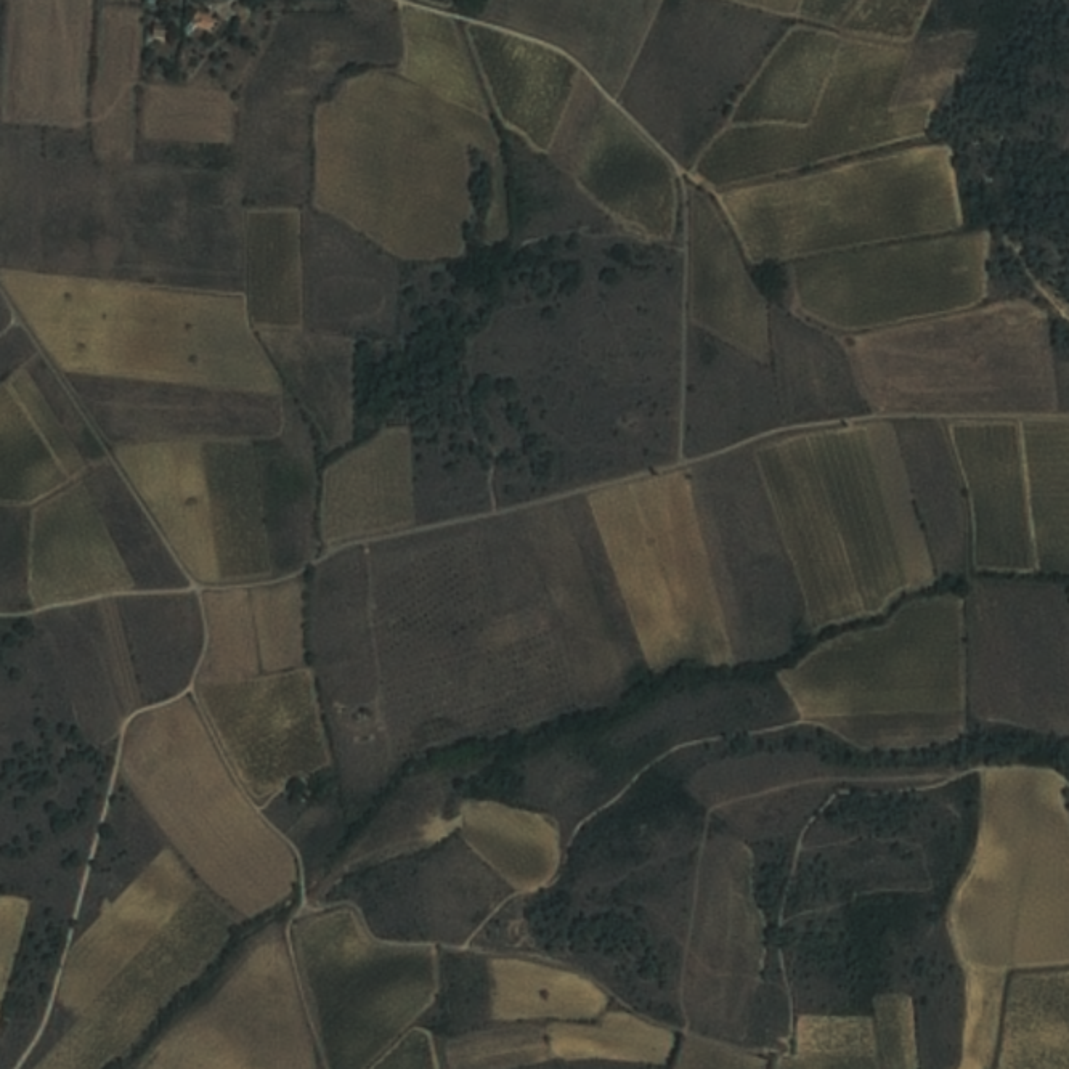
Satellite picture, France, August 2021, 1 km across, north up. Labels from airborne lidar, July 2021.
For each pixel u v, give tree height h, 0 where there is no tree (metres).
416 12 0
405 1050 0
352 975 0
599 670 0
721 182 0
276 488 0
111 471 0
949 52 0
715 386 0
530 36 0
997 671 0
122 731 0
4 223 0
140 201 0
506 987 0
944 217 0
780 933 13
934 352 0
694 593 0
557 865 0
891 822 10
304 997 0
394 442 0
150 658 0
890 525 0
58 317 0
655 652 0
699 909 0
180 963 0
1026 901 0
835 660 0
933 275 0
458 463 6
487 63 0
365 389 9
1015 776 0
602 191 0
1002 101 12
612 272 11
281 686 0
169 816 0
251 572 0
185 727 0
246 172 0
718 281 0
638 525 0
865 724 0
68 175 0
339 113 0
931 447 0
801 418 0
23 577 0
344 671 0
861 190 0
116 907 0
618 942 14
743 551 0
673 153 0
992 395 0
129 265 0
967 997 0
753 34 0
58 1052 0
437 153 0
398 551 0
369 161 0
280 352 0
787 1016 0
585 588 0
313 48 0
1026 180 17
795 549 0
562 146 0
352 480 0
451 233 0
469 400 11
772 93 0
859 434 0
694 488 0
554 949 12
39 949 10
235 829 0
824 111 0
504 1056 0
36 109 0
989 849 0
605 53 0
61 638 0
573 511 0
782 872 11
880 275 0
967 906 0
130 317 0
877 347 0
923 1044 0
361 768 0
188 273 0
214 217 0
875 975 6
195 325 0
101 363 0
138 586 0
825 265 0
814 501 0
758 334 0
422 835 0
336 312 0
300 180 0
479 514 0
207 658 0
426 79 0
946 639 0
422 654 0
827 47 0
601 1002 0
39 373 0
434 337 12
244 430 0
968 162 12
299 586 0
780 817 0
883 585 0
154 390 0
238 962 0
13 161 0
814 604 0
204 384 0
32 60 0
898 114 0
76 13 0
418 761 8
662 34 0
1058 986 0
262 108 0
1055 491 0
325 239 0
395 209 0
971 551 0
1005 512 0
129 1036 0
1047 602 0
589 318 0
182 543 0
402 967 0
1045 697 0
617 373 0
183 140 0
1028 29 12
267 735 0
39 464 0
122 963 0
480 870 0
